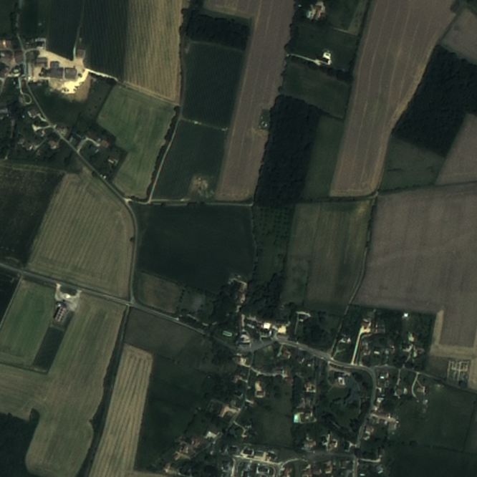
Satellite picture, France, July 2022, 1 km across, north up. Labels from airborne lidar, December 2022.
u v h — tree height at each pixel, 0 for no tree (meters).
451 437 0
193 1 10
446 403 0
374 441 6
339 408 14
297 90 0
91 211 0
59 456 0
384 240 0
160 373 0
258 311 18
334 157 0
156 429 0
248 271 0
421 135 17
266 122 0
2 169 0
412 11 0
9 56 0
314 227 0
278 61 0
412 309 0
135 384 0
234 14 0
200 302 0
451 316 0
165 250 0
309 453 0
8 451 6
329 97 0
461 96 26
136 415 0
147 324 0
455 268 0
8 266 0
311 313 8
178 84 0
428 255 0
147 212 0
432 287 0
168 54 0
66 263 0
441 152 10
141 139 0
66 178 0
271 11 0
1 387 0
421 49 0
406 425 0
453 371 0
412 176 0
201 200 0
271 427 0
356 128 0
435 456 0
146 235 0
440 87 14
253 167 0
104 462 0
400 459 0
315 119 25
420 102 15
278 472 0
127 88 0
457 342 0
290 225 8
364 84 0
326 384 10
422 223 0
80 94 0
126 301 0
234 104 0
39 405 0
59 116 0
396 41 0
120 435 0
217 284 0
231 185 0
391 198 0
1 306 0
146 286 0
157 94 0
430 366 0
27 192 0
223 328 12
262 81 0
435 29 0
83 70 0
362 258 0
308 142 22
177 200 0
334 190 0
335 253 0
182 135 0
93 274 0
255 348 0
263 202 17
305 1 23
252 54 0
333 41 0
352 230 0
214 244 0
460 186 0
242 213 0
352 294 0
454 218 0
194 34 16
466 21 0
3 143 8
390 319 6
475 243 0
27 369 0
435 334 0
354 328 6
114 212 0
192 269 0
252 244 0
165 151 9
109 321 0
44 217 0
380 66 0
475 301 0
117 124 0
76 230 0
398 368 11
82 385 0
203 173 0
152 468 8
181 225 0
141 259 0
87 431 0
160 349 0
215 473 8
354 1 0
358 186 0
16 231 0
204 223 0
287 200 18
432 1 0
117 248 0
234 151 0
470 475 0
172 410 0
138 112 0
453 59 19
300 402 16
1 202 0
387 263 0
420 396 0
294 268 0
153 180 8
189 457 0
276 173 22
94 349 0
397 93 0
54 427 0
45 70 8
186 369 0
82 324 0
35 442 0
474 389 0
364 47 0
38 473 0
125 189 0
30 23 0
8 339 0
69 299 0
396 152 0
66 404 0
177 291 0
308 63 8
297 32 13
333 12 0
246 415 0
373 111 0
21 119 8
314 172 0
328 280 0
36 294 0
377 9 0
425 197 0
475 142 0
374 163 0
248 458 0
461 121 17
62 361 0
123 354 0
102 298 0
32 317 0
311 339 15
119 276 0
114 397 0
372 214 8
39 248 0
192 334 0
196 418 8
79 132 8
